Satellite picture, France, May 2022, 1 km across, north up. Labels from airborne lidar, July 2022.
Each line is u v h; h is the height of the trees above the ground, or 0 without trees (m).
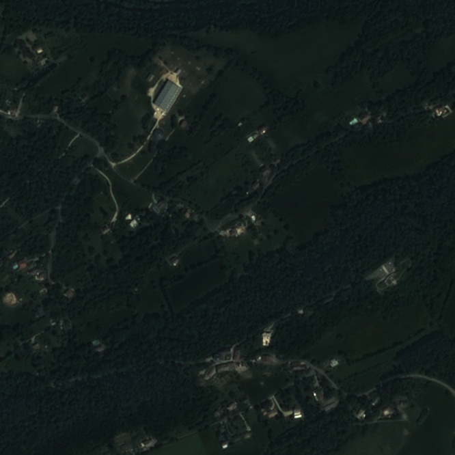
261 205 15
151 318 27
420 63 20
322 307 11
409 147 0
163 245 22
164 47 8
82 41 7
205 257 0
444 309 7
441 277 20
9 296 0
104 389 24
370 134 15
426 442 0
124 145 0
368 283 12
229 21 19
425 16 16
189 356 24
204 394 18
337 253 26
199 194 0
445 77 24
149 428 24
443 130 0
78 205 29
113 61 17
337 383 11
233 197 15
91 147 0
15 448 11
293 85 0
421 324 0
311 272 25
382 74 11
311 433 16
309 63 0
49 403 20
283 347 13
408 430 0
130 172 0
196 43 11
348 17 21
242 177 0
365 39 19
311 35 0
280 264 25
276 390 0
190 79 0
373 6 8
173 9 6
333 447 25
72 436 16
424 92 20
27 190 11
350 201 22
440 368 23
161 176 11
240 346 6
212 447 0
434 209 28
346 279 24
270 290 16
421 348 25
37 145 19
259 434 0
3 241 8
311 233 0
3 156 7
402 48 16
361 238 16
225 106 0
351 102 0
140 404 10
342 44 0
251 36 0
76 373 22
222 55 14
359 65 15
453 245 19
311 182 0
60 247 9
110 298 19
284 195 0
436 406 0
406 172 0
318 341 11
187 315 22
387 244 13
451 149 0
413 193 27
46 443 7
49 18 15
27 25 13
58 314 16
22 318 0
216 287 0
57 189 13
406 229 13
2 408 25
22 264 0
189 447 0
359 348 0
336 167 9
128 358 20
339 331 0
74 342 13
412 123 18
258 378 0
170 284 13
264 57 0
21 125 6
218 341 11
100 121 18
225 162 0
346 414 20
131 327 19
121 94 0
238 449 0
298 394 15
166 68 0
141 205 0
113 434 19
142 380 25
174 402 10
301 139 0
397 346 13
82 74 0
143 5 13
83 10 24
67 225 13
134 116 0
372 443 0
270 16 19
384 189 20
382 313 7
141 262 23
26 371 0
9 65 0
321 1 21
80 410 13
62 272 10
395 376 19
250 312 14
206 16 18
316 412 18
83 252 10
